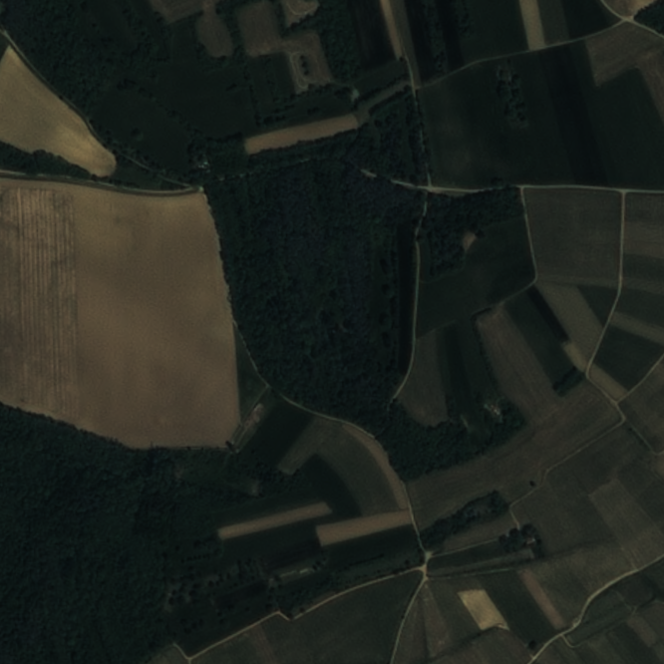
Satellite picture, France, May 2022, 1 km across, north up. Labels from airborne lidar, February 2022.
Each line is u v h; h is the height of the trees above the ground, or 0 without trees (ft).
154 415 0
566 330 0
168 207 0
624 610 0
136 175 0
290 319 59
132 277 0
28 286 0
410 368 0
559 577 0
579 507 0
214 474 0
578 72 0
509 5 0
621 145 0
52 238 0
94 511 66
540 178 0
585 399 0
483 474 0
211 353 0
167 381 0
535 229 0
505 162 0
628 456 0
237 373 0
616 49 0
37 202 0
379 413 51
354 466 0
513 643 0
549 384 0
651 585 0
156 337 0
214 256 0
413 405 0
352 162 48
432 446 46
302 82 0
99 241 0
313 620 0
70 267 0
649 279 0
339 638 0
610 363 0
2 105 0
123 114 0
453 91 0
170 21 0
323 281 62
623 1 0
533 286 0
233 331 0
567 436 0
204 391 0
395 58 0
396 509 0
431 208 26
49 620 41
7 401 0
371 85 0
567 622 0
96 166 0
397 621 0
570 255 0
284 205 73
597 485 0
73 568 75
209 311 0
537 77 0
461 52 0
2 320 0
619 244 0
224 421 0
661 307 0
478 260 0
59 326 0
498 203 33
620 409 0
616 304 0
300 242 70
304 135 0
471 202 43
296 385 52
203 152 29
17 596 25
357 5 0
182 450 0
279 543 0
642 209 0
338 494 0
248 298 63
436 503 0
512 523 0
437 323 0
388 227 53
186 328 0
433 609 0
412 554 0
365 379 55
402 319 0
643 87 0
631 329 0
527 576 0
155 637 50
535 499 0
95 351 0
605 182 0
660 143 0
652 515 0
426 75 0
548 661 0
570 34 0
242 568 30
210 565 0
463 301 0
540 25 0
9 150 24
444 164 0
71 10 40
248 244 28
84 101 30
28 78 0
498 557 0
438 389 0
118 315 0
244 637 0
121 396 0
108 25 0
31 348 0
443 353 0
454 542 0
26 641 44
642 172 0
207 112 0
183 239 0
